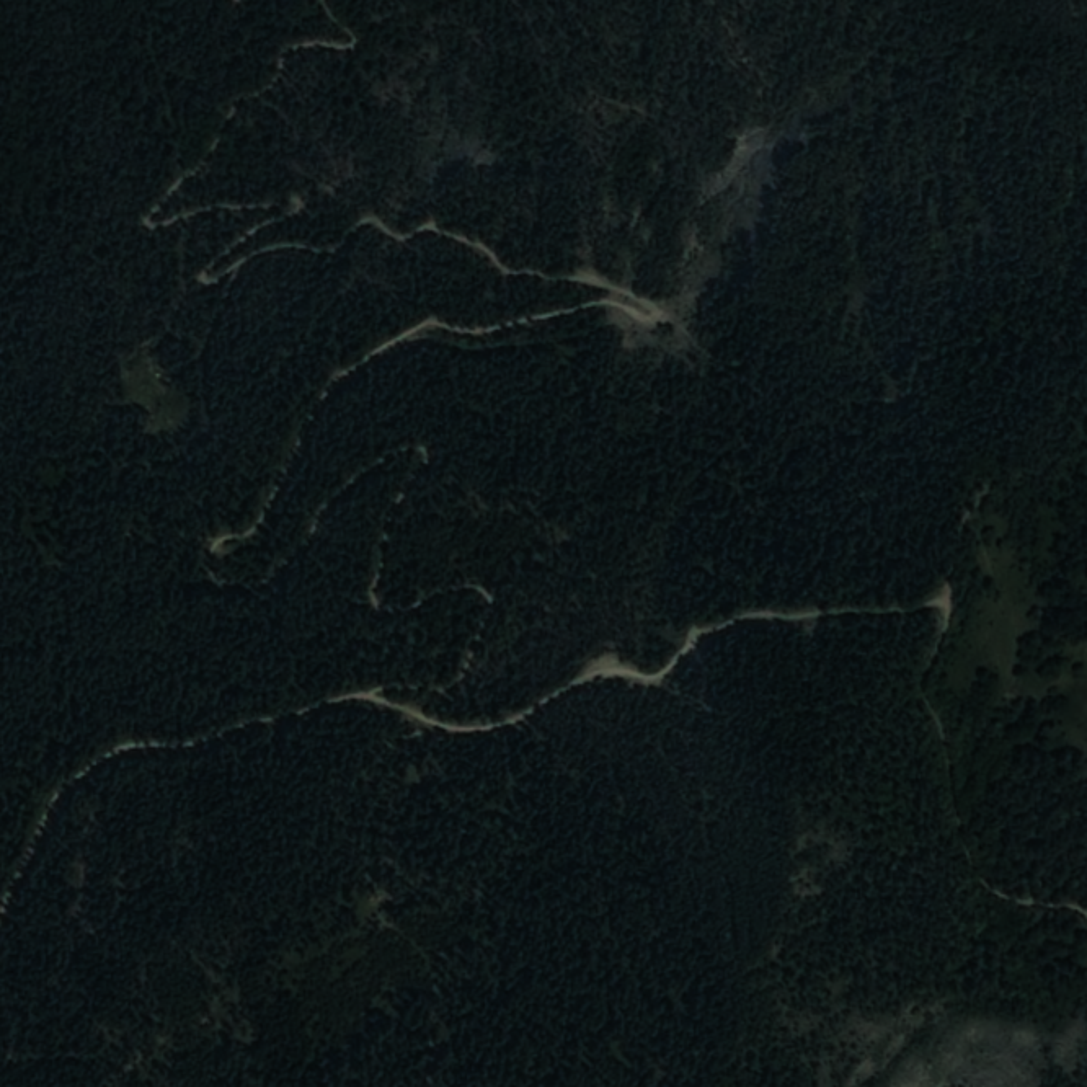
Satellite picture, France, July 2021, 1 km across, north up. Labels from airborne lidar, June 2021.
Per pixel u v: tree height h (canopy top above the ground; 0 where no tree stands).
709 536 16
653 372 12
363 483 10
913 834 13
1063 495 7
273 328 8
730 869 13
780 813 13
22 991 16
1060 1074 9
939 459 8
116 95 18
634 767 10
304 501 26
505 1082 29
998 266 21
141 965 19
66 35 15
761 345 26
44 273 10
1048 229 19
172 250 7
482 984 11
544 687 14
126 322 12
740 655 22
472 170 17
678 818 8
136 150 14
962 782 16
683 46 21
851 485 17
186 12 14
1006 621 0
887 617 9
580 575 17
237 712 25
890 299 8
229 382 21
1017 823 17
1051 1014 9
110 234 17
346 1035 8
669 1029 26
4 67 17
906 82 17
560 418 28
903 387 10
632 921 25
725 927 11
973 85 14
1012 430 19
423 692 12
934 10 8
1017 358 28
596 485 17
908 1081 0
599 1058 25
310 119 17
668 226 11
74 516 30
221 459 20
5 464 22
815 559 21
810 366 20
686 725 9
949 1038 0
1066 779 17
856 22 12
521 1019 25
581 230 16
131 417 18
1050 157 15
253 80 19
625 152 7
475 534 8
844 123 11
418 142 9
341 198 13
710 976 21
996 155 17
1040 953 14
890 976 20
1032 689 0
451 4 9
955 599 9
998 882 20
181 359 16
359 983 7
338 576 23
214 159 12
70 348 16
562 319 12
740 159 0
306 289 10
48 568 28
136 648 28
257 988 19
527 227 25
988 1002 14
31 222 18
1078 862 17
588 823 19
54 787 8
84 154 12
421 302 19
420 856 30
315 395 11
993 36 9
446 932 6
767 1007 14
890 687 7
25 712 20
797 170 12
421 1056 24
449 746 11
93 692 22
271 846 26
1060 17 14
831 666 9
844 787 23
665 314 0
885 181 11
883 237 16
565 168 20
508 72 17
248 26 19
